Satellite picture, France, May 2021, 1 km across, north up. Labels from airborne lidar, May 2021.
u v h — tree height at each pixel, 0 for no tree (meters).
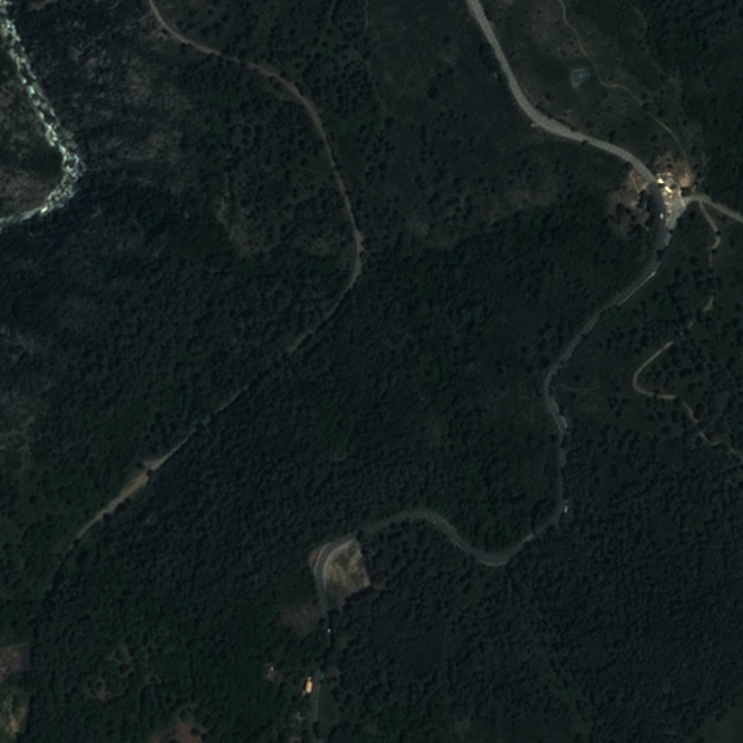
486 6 7
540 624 10
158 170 5
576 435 14
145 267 8
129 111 5
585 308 7
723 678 15
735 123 6
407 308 8
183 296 34
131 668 21
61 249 7
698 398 0
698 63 10
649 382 8
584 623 15
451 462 10
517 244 10
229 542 14
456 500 14
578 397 13
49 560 20
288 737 19
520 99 0
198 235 27
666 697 15
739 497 17
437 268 22
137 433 22
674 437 14
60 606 22
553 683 7
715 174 13
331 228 20
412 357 8
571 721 8
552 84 0
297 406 13
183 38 0
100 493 12
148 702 19
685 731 9
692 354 17
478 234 9
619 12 7
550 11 0
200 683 22
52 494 13
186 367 35
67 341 9
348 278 7
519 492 18
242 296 7
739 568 18
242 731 9
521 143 0
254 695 21
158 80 7
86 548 9
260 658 10
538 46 0
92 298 10
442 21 0
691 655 16
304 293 20
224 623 12
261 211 16
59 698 18
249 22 14
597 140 0
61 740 19
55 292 7
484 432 21
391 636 10
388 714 10
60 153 8
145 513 6
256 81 16
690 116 10
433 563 10
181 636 15
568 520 13
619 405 16
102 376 23
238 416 11
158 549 15
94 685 11
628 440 13
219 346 8
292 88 0
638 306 0
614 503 13
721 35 26
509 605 15
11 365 9
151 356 29
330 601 0
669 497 10
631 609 16
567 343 11
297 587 8
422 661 10
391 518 8
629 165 11
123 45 8
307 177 5
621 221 7
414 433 8
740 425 16
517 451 6
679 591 14
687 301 24
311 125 18
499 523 8
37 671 8
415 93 0
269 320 21
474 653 16
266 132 21
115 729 10
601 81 0
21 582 21
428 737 13
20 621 14
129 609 17
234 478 11
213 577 12
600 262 11
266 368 21
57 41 10
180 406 21
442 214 19
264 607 15
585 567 19
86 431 22
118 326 18
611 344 13
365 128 14
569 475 17
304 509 25
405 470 19
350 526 17
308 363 19
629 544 16
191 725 0
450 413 17
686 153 0
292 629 8
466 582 15
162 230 8
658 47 9
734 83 8
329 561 0
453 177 17
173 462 6
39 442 12
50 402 6
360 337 18
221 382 7
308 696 10
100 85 6
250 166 9
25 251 9
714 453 14
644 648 17
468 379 9
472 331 12
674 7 15
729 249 0
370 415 13
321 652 16
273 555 20
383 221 12
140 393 34
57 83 10
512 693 8
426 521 8
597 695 19
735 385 15
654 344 19
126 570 12
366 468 12
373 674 7
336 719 0
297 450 12
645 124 0
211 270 23
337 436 20
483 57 12
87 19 9
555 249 15
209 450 19
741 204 13
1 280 12
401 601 9
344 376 18
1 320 13
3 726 0
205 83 15
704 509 12
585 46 0
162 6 0
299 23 14
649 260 0
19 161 9
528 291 7
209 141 11
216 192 11
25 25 8
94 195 20
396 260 14
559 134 0
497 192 12
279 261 26
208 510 19
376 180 11
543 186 0
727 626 16
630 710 11
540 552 15
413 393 7
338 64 13
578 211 8
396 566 18
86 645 20
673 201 0
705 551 15
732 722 0
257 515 21
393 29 0
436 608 8
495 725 8
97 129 9
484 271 6
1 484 7
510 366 10
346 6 15
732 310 0
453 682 15
